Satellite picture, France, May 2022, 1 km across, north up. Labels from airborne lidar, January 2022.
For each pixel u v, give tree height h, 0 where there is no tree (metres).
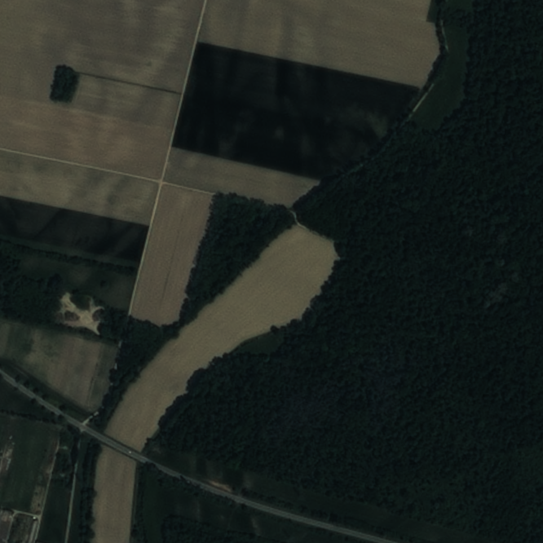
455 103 0
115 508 0
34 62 0
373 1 0
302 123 0
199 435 6
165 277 0
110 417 8
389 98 0
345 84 0
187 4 0
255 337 0
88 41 0
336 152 0
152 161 0
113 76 0
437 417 15
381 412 17
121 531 0
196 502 0
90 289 0
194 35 0
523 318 15
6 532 0
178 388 0
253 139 0
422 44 0
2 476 0
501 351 14
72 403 0
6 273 16
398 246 15
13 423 0
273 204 0
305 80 0
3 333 0
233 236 20
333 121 0
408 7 0
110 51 0
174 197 0
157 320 0
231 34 0
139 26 0
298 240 0
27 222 0
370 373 20
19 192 0
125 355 20
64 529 0
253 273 0
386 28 0
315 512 6
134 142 0
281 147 0
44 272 0
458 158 19
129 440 0
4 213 0
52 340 0
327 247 0
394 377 22
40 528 0
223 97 0
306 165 0
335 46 0
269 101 0
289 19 0
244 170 0
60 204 0
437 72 15
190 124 0
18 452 0
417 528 0
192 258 0
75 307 0
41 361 0
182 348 0
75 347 0
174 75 0
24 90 0
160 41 0
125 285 0
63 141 0
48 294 18
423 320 8
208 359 0
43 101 0
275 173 0
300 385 14
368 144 0
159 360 0
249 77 0
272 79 0
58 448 0
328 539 0
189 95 0
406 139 12
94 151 0
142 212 0
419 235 16
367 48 0
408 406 9
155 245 0
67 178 0
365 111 0
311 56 0
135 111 0
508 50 21
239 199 19
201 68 0
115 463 0
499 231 25
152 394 0
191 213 0
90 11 0
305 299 0
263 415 19
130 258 0
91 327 0
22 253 9
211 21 0
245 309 0
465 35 0
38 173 0
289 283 0
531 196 25
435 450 21
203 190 0
